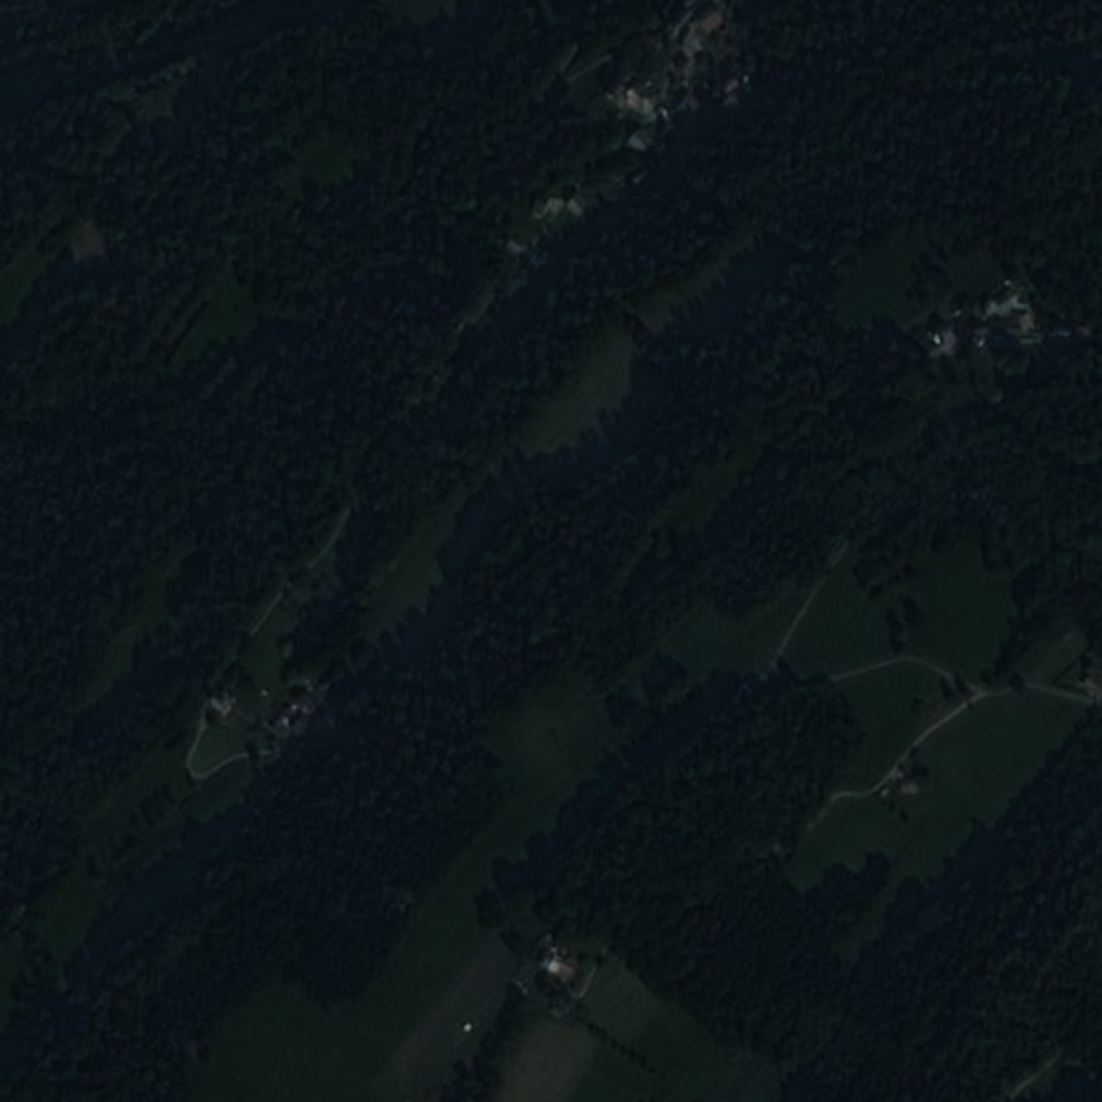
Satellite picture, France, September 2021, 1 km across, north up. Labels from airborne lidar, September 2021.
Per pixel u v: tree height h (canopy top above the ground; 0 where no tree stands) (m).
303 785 20
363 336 26
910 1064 24
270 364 22
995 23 24
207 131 24
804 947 29
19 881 33
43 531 24
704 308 0
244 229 14
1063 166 20
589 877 18
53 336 23
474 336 0
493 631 28
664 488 13
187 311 18
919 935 28
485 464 24
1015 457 25
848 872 0
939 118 27
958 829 0
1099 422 23
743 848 24
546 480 0
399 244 22
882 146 27
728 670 0
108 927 0
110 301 15
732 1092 0
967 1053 25
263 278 26
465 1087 20
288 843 18
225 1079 0
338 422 11
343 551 0
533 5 0
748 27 12
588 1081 0
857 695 0
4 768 33
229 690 10
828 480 24
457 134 26
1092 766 6
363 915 21
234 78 24
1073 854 22
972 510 23
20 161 13
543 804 0
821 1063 22
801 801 18
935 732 0
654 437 23
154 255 20
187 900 28
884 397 26
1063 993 12
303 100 21
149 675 0
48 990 9
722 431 27
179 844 0
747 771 24
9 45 18
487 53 29
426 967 0
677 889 23
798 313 26
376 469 31
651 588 18
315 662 24
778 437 24
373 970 22
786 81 14
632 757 0
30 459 23
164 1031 25
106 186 18
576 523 27
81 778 28
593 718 0
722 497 0
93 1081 29
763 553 24
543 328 20
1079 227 25
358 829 28
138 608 19
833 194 20
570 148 21
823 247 25
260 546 26
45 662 21
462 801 26
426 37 0
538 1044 0
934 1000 23
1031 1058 17
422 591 0
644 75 16
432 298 6
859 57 14
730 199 26
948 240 27
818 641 0
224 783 0
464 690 22
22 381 20
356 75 11
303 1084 0
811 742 23
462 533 0
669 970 28
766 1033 29
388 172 26
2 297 0
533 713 0
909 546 24
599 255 14
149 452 27
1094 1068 24
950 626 0
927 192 30
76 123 21
